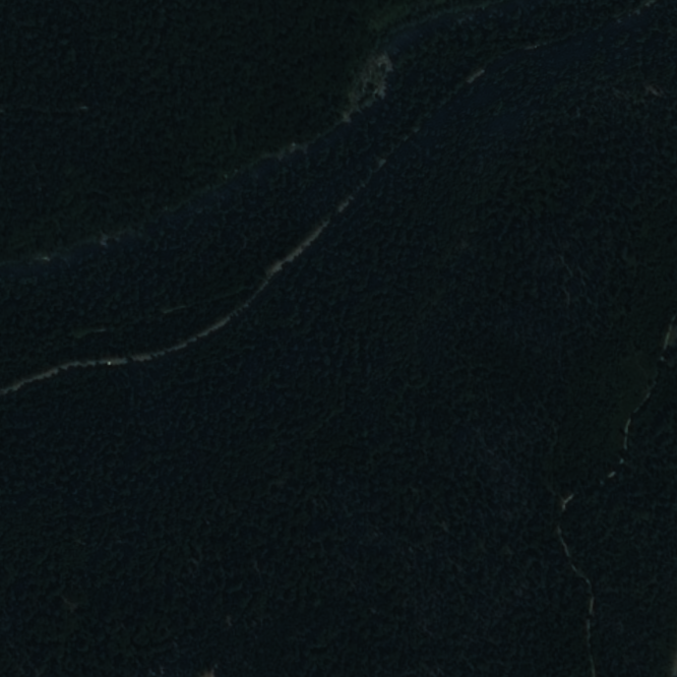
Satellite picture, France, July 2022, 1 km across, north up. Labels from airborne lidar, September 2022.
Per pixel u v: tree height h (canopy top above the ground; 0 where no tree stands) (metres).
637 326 8
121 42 25
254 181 29
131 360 0
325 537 9
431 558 10
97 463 31
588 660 10
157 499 28
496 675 20
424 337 12
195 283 13
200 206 18
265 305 6
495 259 26
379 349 10
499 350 12
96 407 18
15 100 19
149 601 28
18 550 22
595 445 7
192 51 21
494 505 32
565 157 17
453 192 22
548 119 7
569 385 9
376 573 30
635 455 27
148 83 26
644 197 8
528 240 30
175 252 34
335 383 34
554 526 11
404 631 23
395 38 0
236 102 29
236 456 30
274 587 24
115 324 22
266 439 26
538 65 22
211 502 29
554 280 22
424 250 23
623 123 18
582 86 8
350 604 26
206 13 25
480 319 26
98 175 19
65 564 13
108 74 12
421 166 31
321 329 16
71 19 20
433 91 26
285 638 19
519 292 28
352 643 26
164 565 27
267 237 11
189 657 13
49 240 23
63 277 30
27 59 17
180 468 31
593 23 27
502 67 24
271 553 29
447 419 13
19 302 30
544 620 7
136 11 22
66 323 25
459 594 7
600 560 15
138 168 23
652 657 11
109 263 28
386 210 29
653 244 9
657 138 6
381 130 31
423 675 25
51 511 27
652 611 13
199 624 18
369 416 16
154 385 23
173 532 29
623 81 8
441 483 25
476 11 0
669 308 11
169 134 23
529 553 24
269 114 28
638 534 14
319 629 25
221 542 19
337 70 23
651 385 10
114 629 30
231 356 6
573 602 9
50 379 7
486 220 19
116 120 21
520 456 9
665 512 18
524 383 15
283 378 34
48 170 16
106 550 26
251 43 21
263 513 27
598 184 9
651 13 18
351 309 28
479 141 15
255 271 8
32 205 20
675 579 17
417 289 23
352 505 39
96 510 25
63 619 30
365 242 34
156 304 28
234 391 27
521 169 18
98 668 30
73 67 19
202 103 20
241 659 17
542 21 34
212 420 31
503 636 18
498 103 29
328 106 19
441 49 27
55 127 23
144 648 31
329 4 28
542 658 15
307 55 30
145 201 26
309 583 26
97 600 17
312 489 31
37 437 27
